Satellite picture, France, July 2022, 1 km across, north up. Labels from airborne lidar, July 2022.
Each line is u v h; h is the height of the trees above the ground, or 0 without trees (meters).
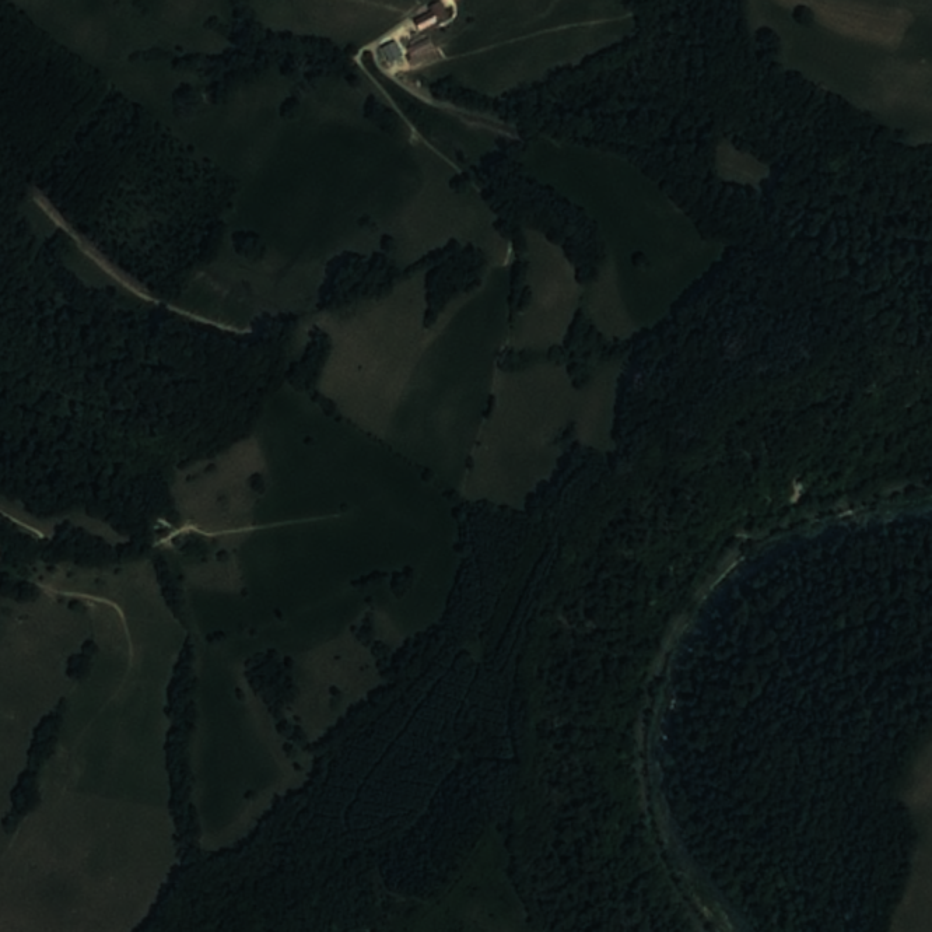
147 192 14
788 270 21
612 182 0
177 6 0
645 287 0
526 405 0
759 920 16
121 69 0
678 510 23
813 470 25
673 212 0
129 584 0
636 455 21
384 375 0
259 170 0
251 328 0
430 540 0
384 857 12
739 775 22
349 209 0
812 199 24
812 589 34
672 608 21
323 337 17
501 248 0
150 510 20
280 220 0
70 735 0
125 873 0
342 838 13
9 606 0
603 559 15
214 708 0
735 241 15
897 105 0
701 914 6
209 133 0
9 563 14
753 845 23
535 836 31
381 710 20
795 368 16
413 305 0
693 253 0
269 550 0
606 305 0
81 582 0
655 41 11
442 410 0
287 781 0
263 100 0
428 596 0
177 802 14
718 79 16
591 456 19
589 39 0
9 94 18
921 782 0
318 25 0
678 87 19
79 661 14
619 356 8
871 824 16
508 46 0
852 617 23
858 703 15
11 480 21
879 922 20
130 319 17
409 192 0
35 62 18
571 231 34
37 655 0
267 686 20
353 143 0
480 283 14
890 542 34
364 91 0
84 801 0
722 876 25
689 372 22
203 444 19
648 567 16
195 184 14
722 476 24
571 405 0
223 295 0
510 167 24
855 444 12
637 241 0
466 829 21
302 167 0
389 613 0
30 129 21
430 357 0
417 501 0
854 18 0
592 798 21
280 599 0
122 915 0
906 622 29
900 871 15
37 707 0
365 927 17
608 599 29
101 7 0
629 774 16
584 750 23
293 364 10
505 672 14
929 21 0
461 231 0
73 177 17
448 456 0
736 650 18
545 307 0
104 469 27
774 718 20
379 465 0
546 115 30
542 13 0
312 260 0
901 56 0
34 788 19
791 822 18
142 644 0
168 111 0
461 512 16
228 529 0
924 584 34
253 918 23
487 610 16
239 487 0
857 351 18
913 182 26
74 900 0
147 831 0
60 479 22
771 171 0
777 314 21
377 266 14
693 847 17
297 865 25
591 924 10
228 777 0
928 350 20
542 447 0
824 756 24
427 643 18
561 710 25
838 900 15
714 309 27
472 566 18
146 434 19
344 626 0
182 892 21
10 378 21
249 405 16
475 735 22
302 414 0
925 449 23
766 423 7
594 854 26
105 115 17
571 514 21
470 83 0
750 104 24
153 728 0
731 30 24
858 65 0
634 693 13
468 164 24
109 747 0
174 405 27
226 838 0
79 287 27
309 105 0
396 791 15
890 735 23
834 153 26
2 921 0
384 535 0
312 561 0
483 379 0
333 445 0
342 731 17
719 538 11
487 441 0
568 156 0
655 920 31
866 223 29
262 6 0
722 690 30
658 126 28
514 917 0
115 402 17
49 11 0
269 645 0
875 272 30
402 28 0
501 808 25
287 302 0
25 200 30
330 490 0
